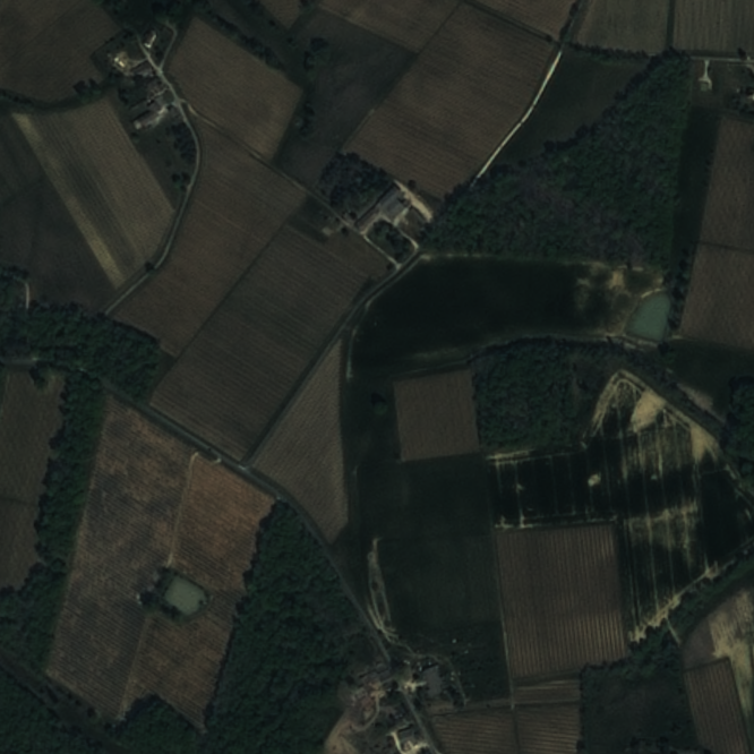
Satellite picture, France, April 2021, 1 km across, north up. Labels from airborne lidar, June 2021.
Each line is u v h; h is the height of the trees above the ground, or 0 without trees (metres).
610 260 18
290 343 0
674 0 0
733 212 0
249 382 0
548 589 0
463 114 0
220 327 0
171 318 0
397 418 0
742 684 0
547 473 0
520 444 16
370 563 0
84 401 16
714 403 0
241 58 0
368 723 0
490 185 17
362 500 0
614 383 0
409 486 0
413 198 0
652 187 19
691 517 0
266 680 17
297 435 0
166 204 0
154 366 14
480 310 0
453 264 0
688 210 0
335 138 0
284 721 18
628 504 0
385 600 0
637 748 9
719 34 0
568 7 0
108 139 0
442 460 0
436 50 0
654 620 0
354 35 0
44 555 17
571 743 0
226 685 17
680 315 14
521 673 0
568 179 19
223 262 0
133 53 0
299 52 0
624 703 0
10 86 0
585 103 0
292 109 0
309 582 21
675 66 21
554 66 0
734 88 0
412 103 0
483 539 0
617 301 0
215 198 0
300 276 0
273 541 18
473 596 0
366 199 20
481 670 5
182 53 0
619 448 0
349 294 0
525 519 0
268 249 0
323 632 19
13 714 19
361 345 0
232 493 0
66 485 20
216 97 0
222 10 0
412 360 0
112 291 0
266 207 0
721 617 0
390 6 0
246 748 24
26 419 0
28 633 19
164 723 21
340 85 0
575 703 0
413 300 0
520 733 0
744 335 0
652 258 21
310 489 0
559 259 13
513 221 19
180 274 0
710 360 0
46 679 7
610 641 0
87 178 0
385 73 0
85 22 0
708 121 0
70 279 0
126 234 0
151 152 0
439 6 0
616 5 0
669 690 0
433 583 0
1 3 0
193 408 0
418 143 0
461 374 0
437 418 0
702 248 0
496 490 0
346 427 0
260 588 18
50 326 13
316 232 0
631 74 0
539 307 0
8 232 0
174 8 19
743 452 23
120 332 13
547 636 0
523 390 23
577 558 0
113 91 0
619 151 18
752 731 0
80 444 20
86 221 0
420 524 0
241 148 0
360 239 0
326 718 22
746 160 0
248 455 0
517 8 0
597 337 0
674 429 0
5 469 0
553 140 0
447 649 0
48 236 0
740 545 0
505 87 0
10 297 17
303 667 20
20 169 0
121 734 12
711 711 0
